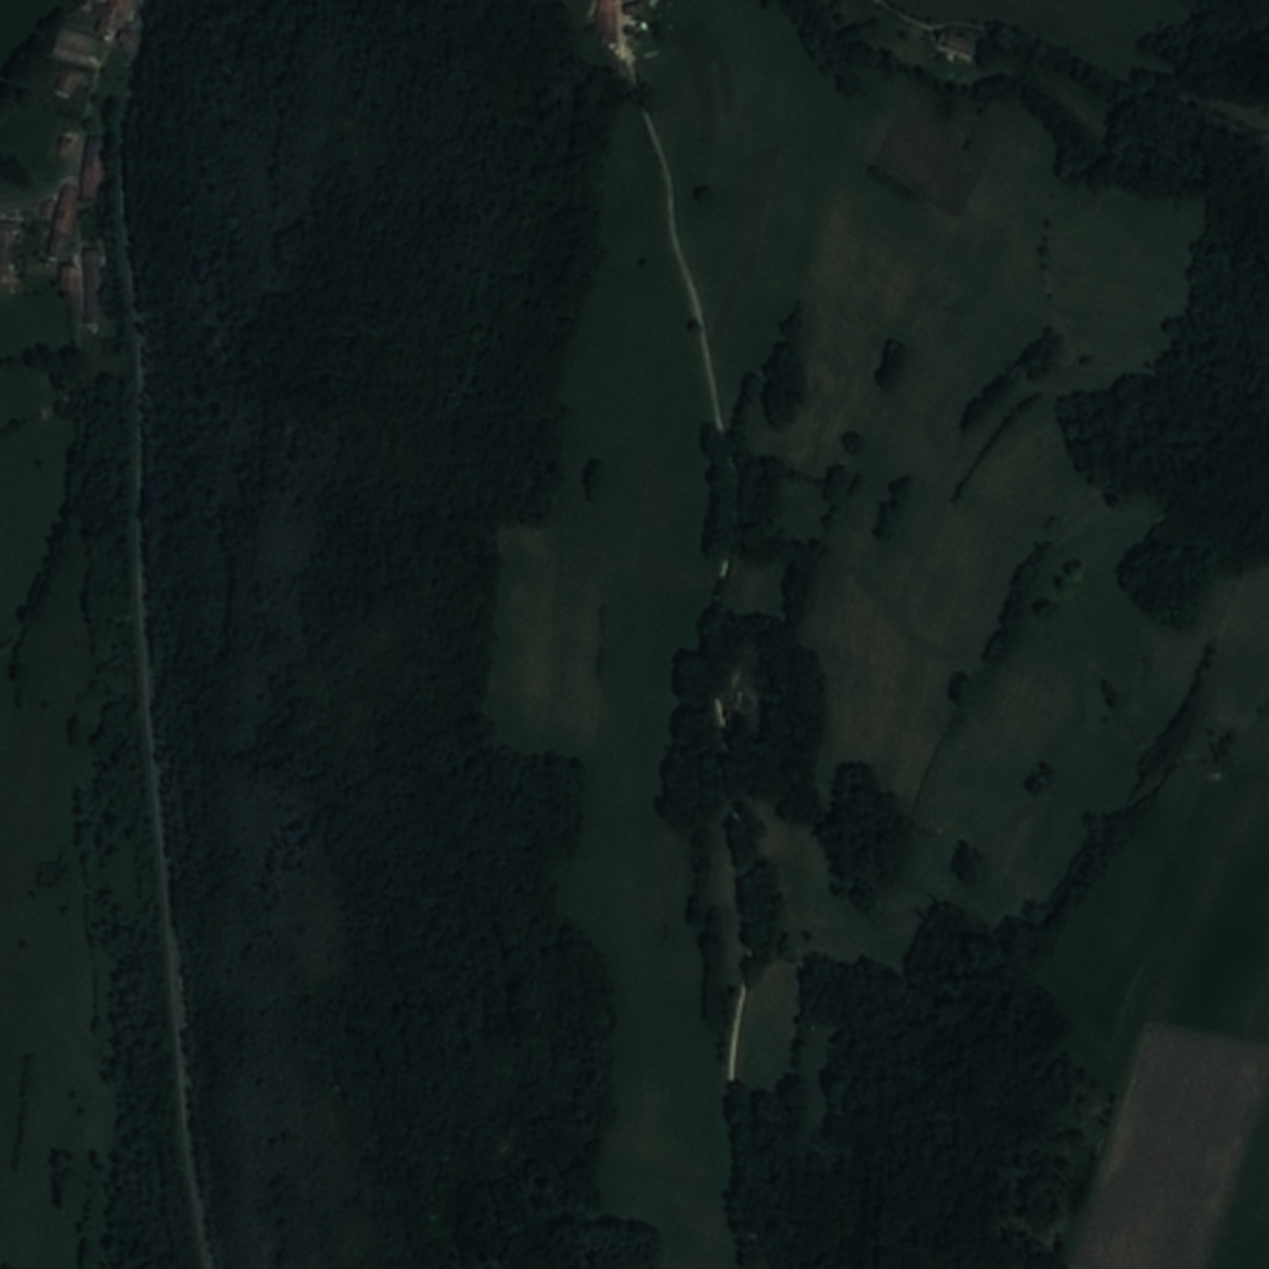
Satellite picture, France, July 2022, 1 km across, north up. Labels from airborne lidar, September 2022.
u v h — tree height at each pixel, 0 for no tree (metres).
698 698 23
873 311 0
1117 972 0
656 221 0
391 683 7
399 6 20
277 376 17
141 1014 12
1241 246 10
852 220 0
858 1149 19
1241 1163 0
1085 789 0
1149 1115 0
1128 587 18
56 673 0
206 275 13
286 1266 9
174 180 15
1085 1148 26
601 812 0
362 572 22
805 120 0
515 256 12
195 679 8
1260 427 10
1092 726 0
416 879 15
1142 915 0
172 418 6
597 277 24
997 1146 22
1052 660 0
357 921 12
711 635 20
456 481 14
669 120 0
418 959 26
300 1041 8
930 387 0
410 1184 22
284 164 9
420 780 22
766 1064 0
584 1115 31
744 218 0
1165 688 0
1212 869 0
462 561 23
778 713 26
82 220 6
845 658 0
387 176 12
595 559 0
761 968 14
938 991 25
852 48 20
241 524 15
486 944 27
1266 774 0
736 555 17
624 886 0
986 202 0
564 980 18
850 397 0
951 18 0
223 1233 7
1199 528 8
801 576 24
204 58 10
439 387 9
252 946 7
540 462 21
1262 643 0
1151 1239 0
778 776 28
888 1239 23
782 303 0
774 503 26
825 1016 23
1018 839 0
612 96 8
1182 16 0
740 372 0
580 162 21
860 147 0
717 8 0
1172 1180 0
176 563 14
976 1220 24
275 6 14
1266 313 26
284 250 17
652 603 0
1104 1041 0
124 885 0
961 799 0
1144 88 22
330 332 20
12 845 0
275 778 8
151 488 12
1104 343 0
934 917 11
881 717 0
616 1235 33
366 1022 21
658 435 0
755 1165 24
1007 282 0
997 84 19
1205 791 0
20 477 0
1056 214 0
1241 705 0
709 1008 10
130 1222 11
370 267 14
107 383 16
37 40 15
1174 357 14
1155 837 0
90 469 18
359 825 9
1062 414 7
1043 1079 13
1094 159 20
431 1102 14
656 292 0
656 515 0
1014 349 0
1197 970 0
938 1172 24
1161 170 28
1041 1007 22
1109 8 0
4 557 0
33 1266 0
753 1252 13
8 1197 0
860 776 20
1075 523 0
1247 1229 0
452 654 13
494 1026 25
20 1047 0
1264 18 35
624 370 0
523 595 0
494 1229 15
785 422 21
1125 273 0
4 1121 0
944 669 0
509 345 18
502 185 11
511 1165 10
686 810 22
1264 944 0
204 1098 6
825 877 0
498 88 19
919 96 0
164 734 10
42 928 0
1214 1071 0
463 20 28
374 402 18
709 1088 0
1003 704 0
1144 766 5
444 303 7
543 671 0
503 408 24
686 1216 0
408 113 10
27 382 0
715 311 0
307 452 7
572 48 20
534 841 15
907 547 0
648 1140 0
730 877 0
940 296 0
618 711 0
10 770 0
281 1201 8
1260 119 0
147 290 11
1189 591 18
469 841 21
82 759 0
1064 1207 16
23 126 0
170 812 9
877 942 0
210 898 13
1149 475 12
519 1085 12
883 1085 20
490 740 21
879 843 25
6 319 0
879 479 0
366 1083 18
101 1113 0
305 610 11
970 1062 21
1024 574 12
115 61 0
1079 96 0
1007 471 0
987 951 28
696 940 0
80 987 0
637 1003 0
